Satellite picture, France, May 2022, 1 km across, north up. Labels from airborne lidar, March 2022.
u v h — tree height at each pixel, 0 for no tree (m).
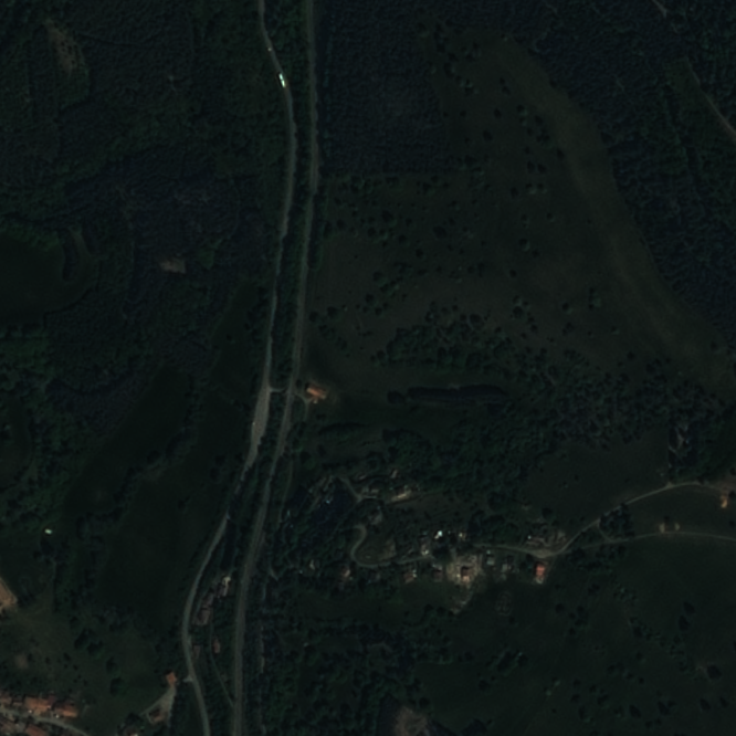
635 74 18
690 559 0
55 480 18
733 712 0
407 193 0
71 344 14
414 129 27
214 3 15
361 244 0
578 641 0
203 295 29
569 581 0
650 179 27
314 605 0
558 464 0
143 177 17
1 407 13
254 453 0
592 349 0
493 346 8
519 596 0
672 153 16
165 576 0
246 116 10
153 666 0
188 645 0
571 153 0
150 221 28
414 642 8
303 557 19
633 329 0
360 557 0
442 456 20
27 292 0
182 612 0
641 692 0
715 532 0
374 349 0
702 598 0
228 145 13
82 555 0
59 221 19
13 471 0
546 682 0
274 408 9
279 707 15
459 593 0
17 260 0
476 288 0
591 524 0
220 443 0
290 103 0
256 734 8
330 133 31
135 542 0
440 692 0
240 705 0
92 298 8
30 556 0
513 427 6
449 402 24
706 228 23
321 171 0
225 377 0
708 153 14
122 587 0
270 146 6
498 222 0
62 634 0
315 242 11
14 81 7
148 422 0
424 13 21
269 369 0
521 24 26
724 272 21
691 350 0
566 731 0
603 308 0
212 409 0
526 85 0
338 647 0
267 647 20
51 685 0
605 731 0
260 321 18
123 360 9
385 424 0
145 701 0
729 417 16
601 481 0
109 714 0
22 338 12
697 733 0
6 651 0
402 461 9
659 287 0
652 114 19
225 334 0
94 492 0
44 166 19
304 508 19
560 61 27
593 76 23
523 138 0
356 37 31
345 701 0
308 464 14
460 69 0
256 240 29
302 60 8
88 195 24
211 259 28
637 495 0
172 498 0
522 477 6
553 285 0
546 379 16
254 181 18
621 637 0
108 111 18
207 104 16
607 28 14
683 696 0
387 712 27
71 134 17
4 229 12
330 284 0
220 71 17
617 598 5
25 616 0
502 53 0
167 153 16
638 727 0
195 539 0
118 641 0
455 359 21
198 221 40
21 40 14
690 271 28
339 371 0
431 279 0
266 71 7
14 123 6
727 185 15
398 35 23
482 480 23
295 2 13
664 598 0
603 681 0
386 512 11
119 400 34
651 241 19
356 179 9
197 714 0
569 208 0
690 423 14
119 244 12
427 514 0
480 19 21
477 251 0
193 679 0
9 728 0
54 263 0
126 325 15
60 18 12
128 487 12
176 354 28
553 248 0
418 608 0
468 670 0
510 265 0
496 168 0
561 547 0
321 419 8
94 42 20
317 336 0
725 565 0
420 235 0
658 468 0
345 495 22
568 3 15
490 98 0
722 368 0
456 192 0
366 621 0
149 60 18
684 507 0
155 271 26
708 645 0
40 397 27
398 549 6
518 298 7
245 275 23
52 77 16
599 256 0
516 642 0
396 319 0
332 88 28
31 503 8
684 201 27
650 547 0
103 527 17
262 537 0
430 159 26
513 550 0
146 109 16
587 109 14
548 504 0
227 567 17
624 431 15
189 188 32
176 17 19
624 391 13
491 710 0
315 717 12
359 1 24
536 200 0
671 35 34
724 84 26
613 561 10
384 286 8
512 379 13
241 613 0
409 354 12
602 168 0
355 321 0
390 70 27
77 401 31
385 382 0
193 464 0
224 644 7
